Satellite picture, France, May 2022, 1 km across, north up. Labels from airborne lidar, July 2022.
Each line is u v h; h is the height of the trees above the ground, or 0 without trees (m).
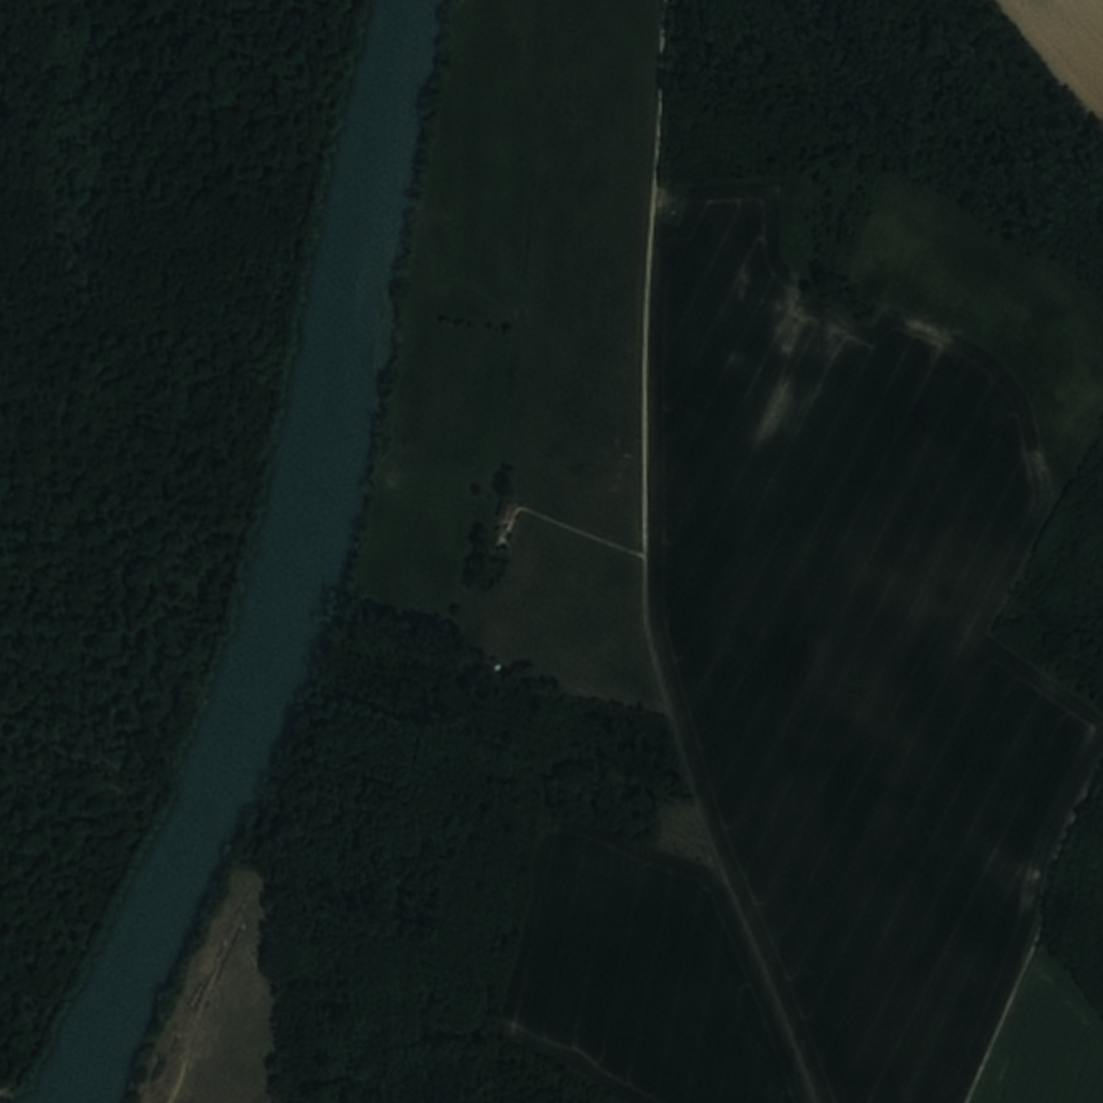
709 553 0
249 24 15
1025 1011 0
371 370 0
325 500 0
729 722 0
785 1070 0
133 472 11
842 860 0
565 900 0
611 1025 0
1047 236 20
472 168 0
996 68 22
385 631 36
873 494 0
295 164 13
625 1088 0
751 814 0
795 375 0
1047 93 12
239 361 14
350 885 26
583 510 0
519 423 0
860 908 0
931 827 0
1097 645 8
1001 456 0
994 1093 0
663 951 0
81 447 11
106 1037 0
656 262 0
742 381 0
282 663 0
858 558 0
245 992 0
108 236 27
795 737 0
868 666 0
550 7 0
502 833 13
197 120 25
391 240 0
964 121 14
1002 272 0
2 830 18
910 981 0
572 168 0
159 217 20
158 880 0
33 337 15
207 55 25
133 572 28
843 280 9
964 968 0
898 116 25
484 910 17
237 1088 0
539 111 0
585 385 0
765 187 0
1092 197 31
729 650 0
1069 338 0
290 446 0
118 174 13
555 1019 0
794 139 10
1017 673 0
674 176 8
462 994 21
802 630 0
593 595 0
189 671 13
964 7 15
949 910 0
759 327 0
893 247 0
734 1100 0
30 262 20
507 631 0
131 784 14
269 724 0
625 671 0
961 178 18
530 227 0
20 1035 20
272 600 0
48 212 16
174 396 25
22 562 28
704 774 0
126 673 15
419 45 0
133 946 0
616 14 0
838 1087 0
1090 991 12
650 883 0
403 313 10
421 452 0
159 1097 0
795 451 0
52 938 18
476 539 12
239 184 21
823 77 31
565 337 0
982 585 0
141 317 16
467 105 0
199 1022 0
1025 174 36
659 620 0
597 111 0
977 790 0
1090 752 0
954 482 0
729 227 0
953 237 0
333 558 0
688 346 0
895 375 0
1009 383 0
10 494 22
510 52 0
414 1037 21
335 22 20
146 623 18
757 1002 0
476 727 14
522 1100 9
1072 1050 0
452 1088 35
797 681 0
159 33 22
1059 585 9
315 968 21
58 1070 0
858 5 22
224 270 17
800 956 0
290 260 14
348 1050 19
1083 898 12
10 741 13
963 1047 0
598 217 0
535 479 0
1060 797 0
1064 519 10
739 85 26
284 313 15
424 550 0
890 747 0
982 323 0
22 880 14
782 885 0
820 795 0
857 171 6
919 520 0
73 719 27
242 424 17
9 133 32
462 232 0
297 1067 10
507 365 0
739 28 28
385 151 0
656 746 6
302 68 17
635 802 24
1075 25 0
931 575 0
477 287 0
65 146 12
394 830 18
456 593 0
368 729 24
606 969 0
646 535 0
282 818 12
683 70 20
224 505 14
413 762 24
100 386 18
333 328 0
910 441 0
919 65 17
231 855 12
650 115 0
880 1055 0
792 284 0
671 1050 0
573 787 24
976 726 0
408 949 19
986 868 0
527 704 11
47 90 27
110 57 23
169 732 23
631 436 0
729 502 0
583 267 0
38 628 19
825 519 0
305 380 0
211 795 0
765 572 0
